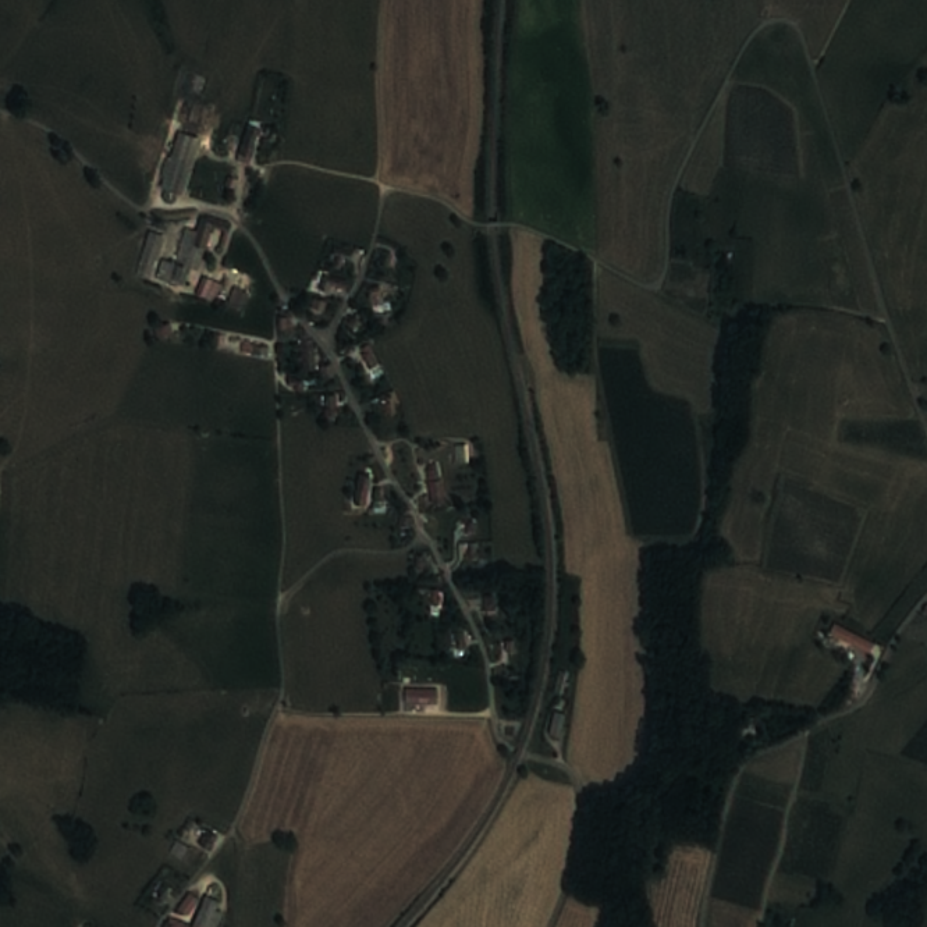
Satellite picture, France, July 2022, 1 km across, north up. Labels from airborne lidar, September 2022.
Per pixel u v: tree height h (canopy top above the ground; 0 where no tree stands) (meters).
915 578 0
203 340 7
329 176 0
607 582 0
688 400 0
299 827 0
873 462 0
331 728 0
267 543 0
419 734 0
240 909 0
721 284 9
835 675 0
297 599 0
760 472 0
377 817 0
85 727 0
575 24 0
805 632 0
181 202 0
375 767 0
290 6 0
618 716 0
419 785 0
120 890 0
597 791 17
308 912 0
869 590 0
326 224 0
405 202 0
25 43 0
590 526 0
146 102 0
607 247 0
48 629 21
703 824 18
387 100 0
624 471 0
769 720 12
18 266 0
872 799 0
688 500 0
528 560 0
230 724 0
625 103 0
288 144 0
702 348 0
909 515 0
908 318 0
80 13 0
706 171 0
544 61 0
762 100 0
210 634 0
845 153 0
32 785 0
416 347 0
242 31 0
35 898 0
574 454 0
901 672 0
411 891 0
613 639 0
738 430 6
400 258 13
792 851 0
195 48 0
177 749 0
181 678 0
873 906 14
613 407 0
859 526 0
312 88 0
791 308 6
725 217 0
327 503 0
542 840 0
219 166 0
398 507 8
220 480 0
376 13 0
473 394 0
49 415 0
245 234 0
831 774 0
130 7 0
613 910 23
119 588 0
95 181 18
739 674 0
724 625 0
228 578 0
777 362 0
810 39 0
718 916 0
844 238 0
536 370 0
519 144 0
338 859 0
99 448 0
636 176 0
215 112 0
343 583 0
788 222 0
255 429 0
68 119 0
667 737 24
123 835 0
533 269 0
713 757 22
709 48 0
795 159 0
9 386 0
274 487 0
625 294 0
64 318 0
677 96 0
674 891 0
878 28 0
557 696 6
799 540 0
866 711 0
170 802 0
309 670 0
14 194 0
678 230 0
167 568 0
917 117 0
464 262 0
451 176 0
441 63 0
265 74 7
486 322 0
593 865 21
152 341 10
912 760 0
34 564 0
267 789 0
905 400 0
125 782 0
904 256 0
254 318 0
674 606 18
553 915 0
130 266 0
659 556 17
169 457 0
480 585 17
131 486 0
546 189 0
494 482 0
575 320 9
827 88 0
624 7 0
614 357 0
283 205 0
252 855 0
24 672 25
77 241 0
